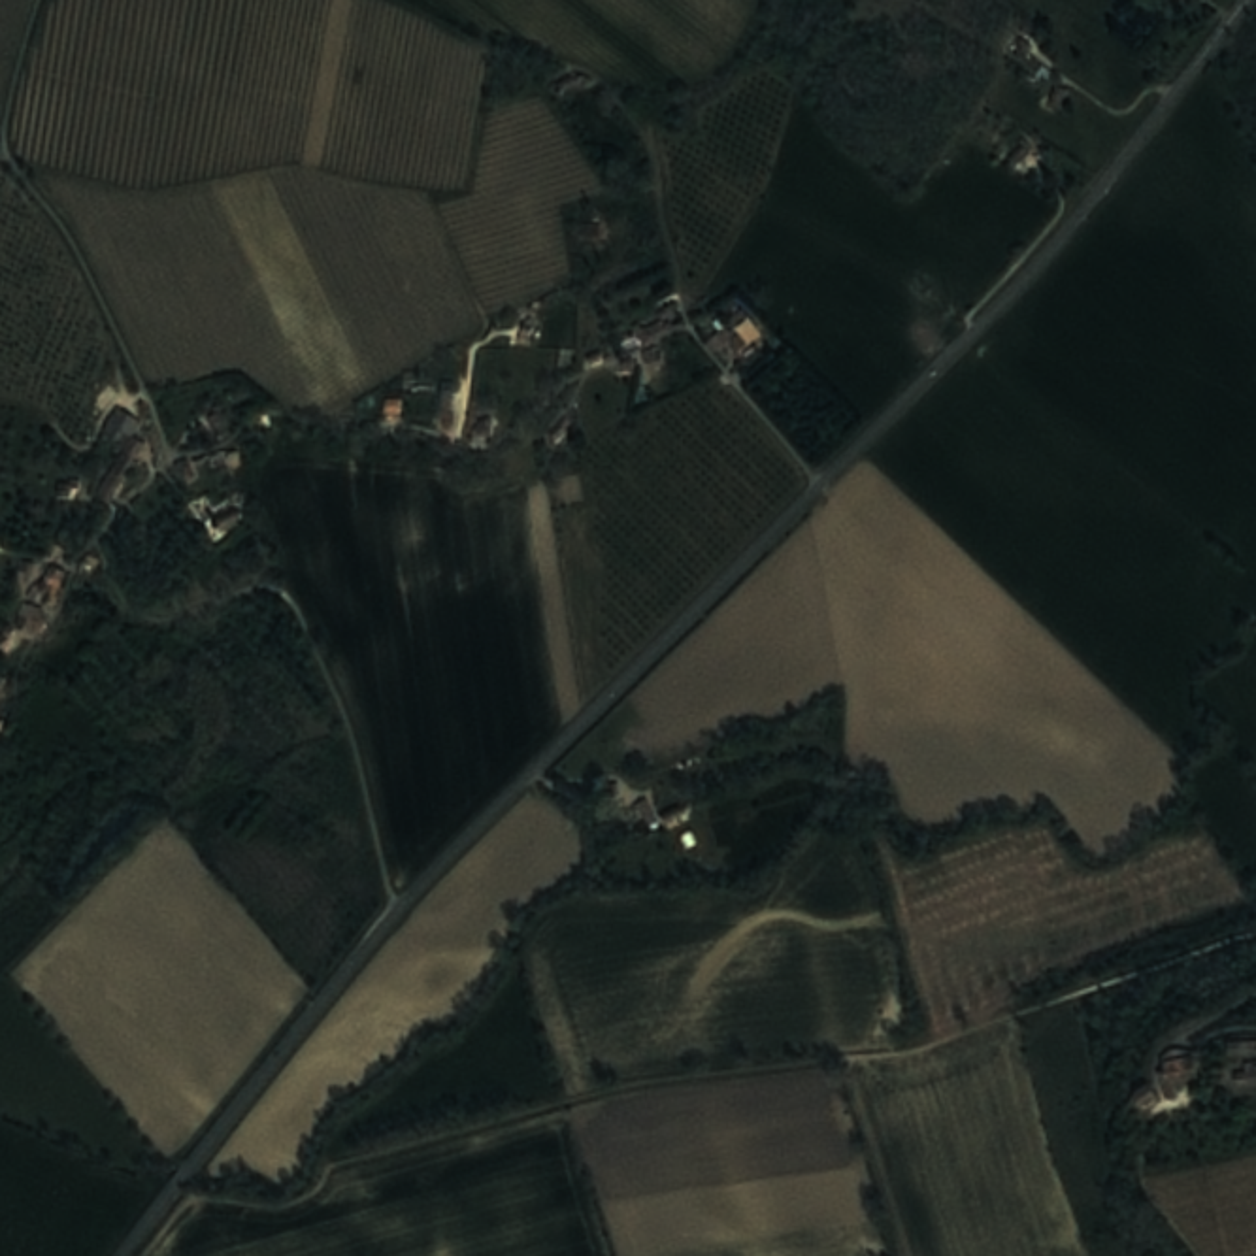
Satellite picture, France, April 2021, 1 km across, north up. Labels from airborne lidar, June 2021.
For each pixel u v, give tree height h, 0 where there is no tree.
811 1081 0
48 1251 0
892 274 0
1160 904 0
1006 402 0
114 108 0
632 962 0
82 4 0
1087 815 0
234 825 11
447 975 0
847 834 24
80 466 10
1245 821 0
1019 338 0
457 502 0
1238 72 12
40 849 16
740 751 23
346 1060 0
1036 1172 0
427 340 0
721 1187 0
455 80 0
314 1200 0
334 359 0
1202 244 0
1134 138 0
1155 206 0
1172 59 10
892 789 22
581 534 0
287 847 12
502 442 10
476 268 0
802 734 8
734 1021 0
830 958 0
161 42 0
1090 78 0
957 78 15
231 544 10
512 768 0
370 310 0
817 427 10
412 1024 0
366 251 0
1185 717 0
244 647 12
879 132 17
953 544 0
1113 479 0
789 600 0
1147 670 0
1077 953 0
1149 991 15
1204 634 0
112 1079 0
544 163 0
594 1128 0
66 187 0
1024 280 0
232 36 0
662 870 0
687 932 0
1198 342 0
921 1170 0
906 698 0
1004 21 17
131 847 18
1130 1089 8
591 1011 0
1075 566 0
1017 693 0
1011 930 0
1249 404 0
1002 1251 0
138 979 0
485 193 0
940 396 0
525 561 0
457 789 0
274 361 0
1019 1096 0
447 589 0
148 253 0
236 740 16
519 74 18
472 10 0
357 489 0
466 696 0
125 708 12
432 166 0
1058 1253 0
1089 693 0
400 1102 0
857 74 18
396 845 0
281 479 0
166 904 0
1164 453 0
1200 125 0
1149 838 21
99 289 0
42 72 0
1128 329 0
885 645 0
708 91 12
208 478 0
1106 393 0
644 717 0
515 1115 18
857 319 0
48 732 0
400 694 0
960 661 0
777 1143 0
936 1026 0
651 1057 0
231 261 0
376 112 0
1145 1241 16
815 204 0
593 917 0
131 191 0
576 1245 0
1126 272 0
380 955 0
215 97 0
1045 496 0
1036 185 11
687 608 0
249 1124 0
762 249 0
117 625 11
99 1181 0
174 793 19
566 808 17
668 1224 0
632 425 9
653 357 0
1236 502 0
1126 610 0
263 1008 0
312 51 0
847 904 0
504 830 0
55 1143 7
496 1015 0
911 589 0
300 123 0
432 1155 0
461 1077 0
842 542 0
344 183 0
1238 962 14
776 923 0
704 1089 0
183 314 0
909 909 0
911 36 13
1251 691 0
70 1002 0
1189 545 0
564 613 0
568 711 0
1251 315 0
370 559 0
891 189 10
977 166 0
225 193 0
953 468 0
